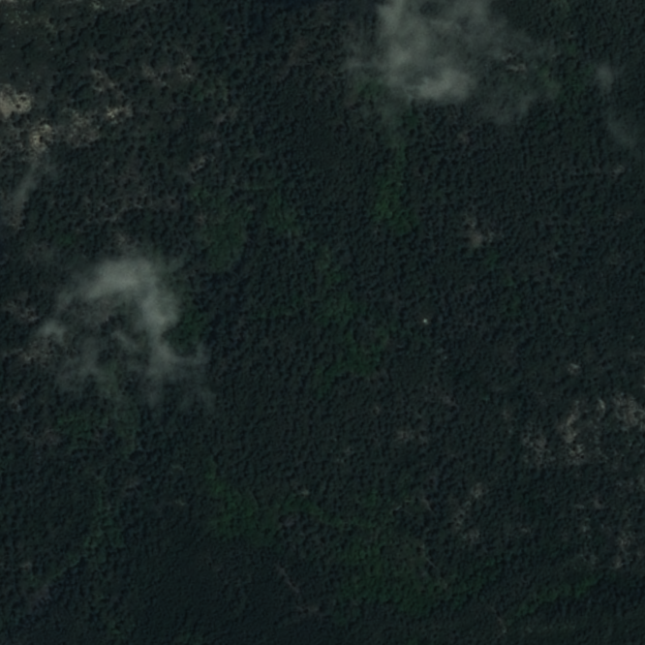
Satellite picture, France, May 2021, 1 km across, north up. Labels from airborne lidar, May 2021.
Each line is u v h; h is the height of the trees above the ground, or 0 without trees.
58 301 13
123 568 14
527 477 25
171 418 19
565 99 15
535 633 7
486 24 14
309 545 24
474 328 20
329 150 23
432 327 8
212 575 17
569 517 9
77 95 20
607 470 18
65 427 15
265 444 10
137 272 24
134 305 11
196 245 25
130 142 25
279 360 20
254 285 17
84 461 21
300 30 22
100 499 15
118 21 18
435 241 18
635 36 22
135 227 22
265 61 24
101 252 19
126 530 7
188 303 12
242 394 19
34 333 12
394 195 17
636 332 13
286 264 18
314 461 13
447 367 28
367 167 25
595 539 15
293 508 14
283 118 21
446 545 19
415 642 13
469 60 16
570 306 17
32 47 20
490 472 14
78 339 13
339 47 23
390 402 18
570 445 12
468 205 16
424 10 19
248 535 18
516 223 18
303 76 20
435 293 23
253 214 14
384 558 9
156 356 12
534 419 13
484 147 13
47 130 0
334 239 19
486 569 15
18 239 16
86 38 24
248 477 21
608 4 20
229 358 23
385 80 20
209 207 12
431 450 16
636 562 22
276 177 17
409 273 26
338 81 26
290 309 22
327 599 18
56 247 22
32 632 17
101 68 21
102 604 14
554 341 18
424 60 21
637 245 15
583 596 15
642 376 20
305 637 13
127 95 14
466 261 20
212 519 15
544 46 14
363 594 20
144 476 12
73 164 21
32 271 20
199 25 30
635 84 13
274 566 15
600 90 20
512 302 15
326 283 23
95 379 28
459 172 17
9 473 7
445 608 23
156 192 18
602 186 18
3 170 24
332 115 22
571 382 20
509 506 16
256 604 13
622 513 14
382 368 17
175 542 11
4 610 24
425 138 26
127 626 21
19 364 15
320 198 21
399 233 15
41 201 18
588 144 24
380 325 28
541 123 16
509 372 14
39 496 18
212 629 13
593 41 18
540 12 21
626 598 22
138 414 15
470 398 19
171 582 16
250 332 21
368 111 25
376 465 20
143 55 13
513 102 15
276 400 21
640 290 12
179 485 13
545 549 20
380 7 18
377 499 8
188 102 21
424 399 14
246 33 21
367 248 23
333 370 24
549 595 17
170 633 14
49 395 5
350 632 14
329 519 12
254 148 32
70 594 20
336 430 17
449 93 20
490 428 15
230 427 18
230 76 11
